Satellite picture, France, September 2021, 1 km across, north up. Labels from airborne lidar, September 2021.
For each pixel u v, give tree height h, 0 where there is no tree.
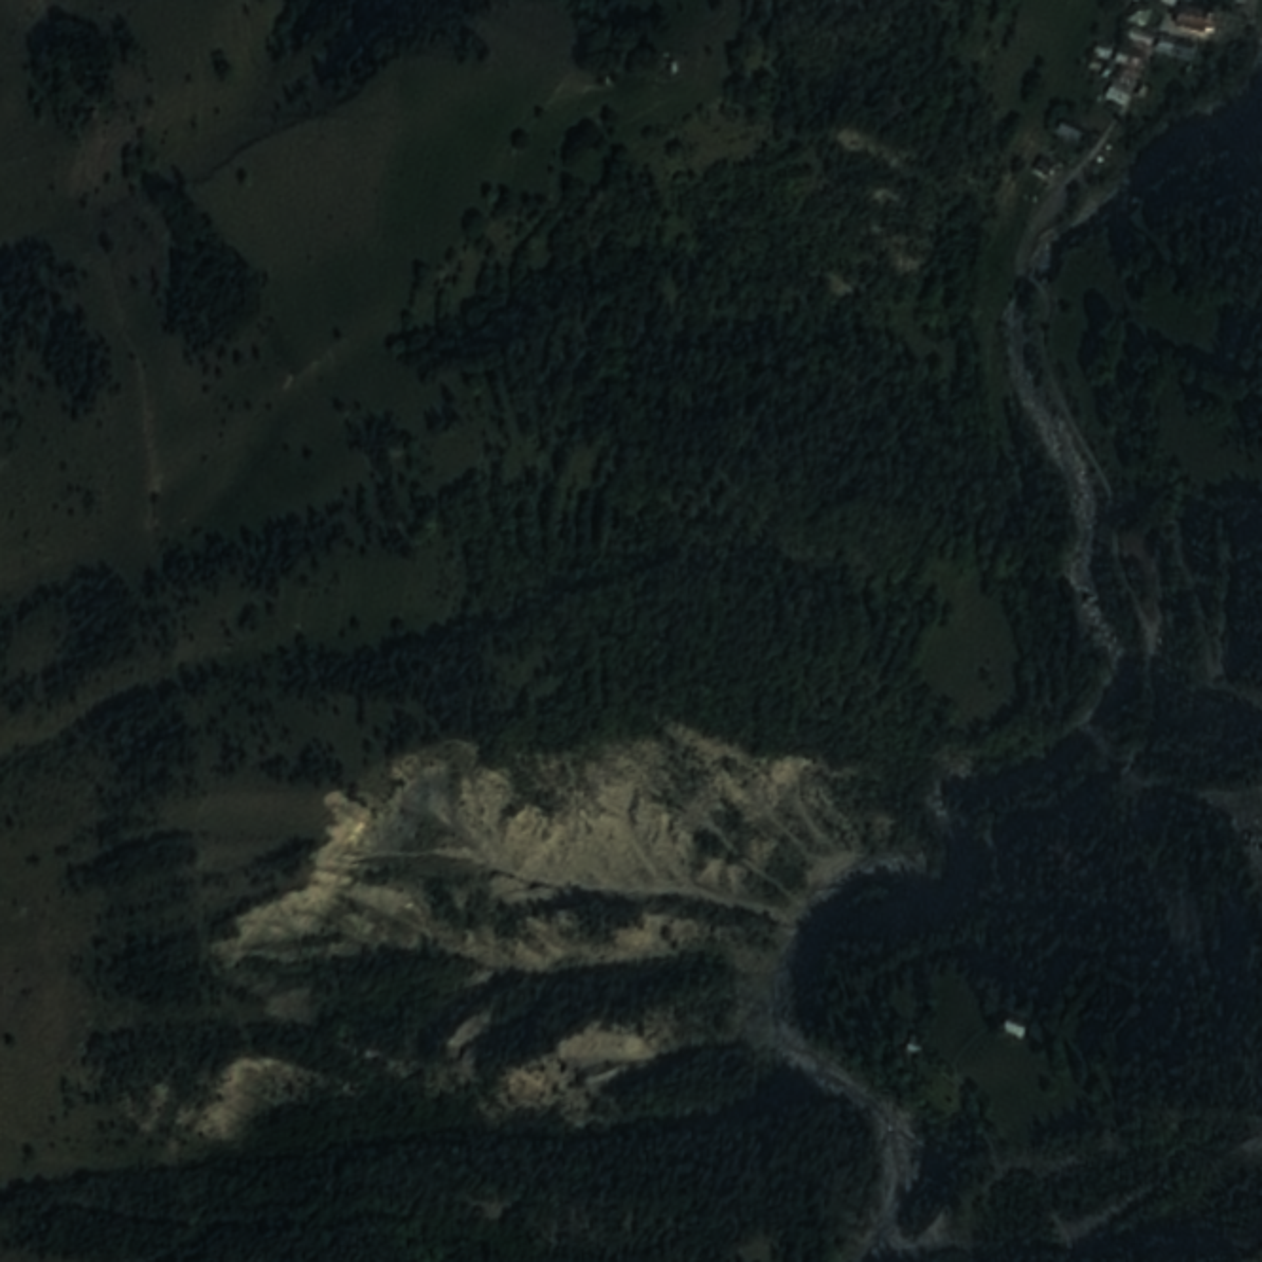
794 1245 18
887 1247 0
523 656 12
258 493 0
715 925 9
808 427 21
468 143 0
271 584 11
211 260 18
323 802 0
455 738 16
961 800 9
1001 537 14
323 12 17
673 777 6
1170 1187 8
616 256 23
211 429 0
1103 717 6
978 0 22
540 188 0
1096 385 14
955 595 0
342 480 0
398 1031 14
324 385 0
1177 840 15
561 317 16
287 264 0
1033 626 15
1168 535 9
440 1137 12
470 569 10
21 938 0
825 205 16
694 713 19
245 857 0
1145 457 16
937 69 22
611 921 15
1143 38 0
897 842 13
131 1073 8
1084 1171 7
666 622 22
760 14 16
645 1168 23
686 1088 11
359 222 0
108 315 0
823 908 0
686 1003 8
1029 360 8
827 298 27
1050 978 9
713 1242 16
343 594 0
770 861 7
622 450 9
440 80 0
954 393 15
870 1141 26
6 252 7
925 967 9
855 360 19
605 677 20
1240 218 21
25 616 7
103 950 12
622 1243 10
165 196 16
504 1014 10
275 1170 16
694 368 20
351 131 0
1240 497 11
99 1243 13
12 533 0
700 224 9
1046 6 0
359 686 7
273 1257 13
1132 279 18
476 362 14
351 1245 17
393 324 0
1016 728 21
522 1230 21
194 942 11
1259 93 0
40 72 15
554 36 0
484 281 12
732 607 18
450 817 0
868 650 7
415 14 20
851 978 20
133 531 0
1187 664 9
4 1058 0
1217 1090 11
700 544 12
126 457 0
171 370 0
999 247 0
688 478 17
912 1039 10
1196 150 14
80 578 7
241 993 7
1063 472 8
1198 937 0
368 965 13
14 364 7
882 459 20
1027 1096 0
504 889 0
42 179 0
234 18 0
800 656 18
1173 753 11
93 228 0
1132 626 7
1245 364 22
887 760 10
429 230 0
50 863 0
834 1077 0
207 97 0
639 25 13
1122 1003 17
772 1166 25
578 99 0
